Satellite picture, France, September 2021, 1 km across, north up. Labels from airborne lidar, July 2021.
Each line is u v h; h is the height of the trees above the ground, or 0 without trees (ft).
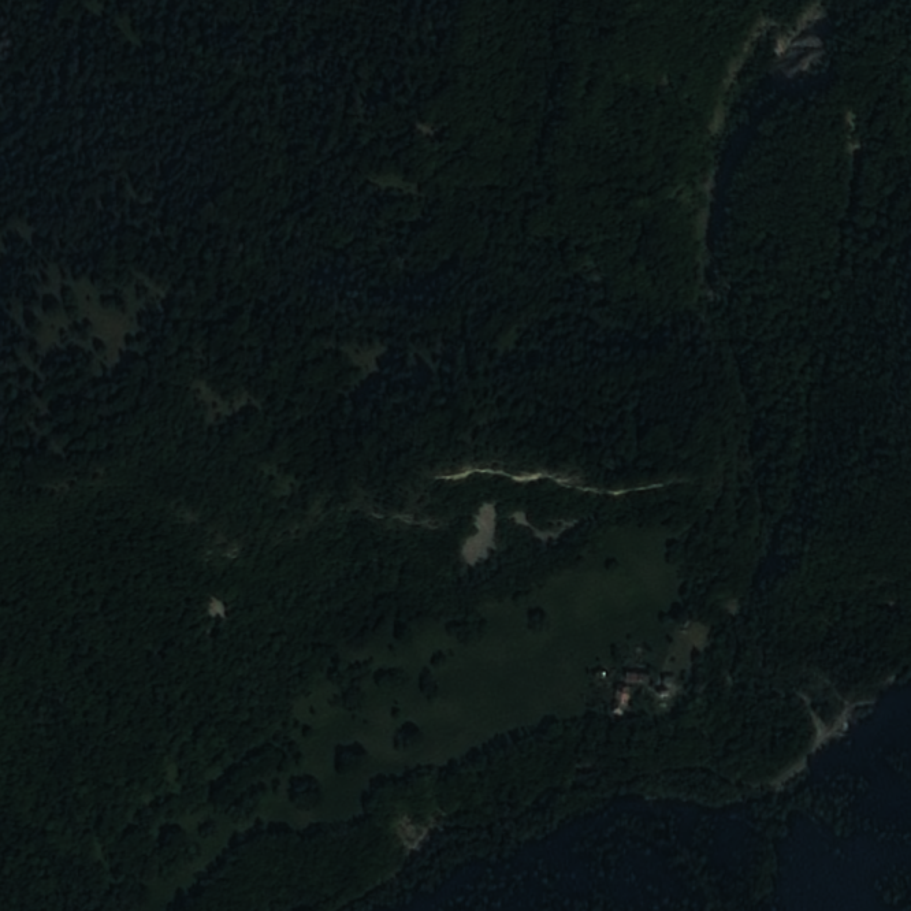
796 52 0
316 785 64
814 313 76
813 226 74
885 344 96
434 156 89
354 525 68
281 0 100
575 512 43
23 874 60
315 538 79
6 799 95
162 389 48
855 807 52
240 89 83
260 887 78
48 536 81
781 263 94
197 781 60
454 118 106
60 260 52
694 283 34
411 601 74
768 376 96
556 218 80
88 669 53
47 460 63
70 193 75
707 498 52
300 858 83
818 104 67
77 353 53
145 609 85
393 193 37
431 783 77
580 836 90
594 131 62
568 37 99
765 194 80
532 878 103
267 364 61
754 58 23
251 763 80
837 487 70
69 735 57
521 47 80
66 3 96
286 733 61
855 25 46
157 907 0
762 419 48
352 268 102
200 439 64
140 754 80
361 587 95
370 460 45
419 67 21
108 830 67
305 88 104
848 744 33
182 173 92
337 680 52
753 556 43
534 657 0
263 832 54
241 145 98
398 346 63
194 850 60
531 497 68
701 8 93
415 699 0
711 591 88
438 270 102
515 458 35
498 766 94
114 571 86
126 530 114
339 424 55
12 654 78
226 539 25
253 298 31
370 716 0
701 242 31
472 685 0
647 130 100
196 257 58
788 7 49
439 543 76
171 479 61
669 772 65
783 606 73
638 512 58
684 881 95
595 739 91
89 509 89
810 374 75
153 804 23
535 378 91
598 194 84
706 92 70
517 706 0
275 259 82
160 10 59
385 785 50
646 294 88
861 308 78
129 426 66
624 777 87
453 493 87
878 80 59
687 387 46
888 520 74
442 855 66
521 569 66
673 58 65
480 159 93
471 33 82
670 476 36
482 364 79
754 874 73
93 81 92
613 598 0
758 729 62
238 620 98
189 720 83
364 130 37
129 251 74
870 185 93
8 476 66
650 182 49
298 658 99
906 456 46
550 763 104
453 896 84
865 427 63
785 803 39
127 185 32
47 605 92
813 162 82
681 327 79
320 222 96
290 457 23
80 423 68
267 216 69
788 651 79
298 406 26
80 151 50
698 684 68
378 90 21
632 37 96
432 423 61
